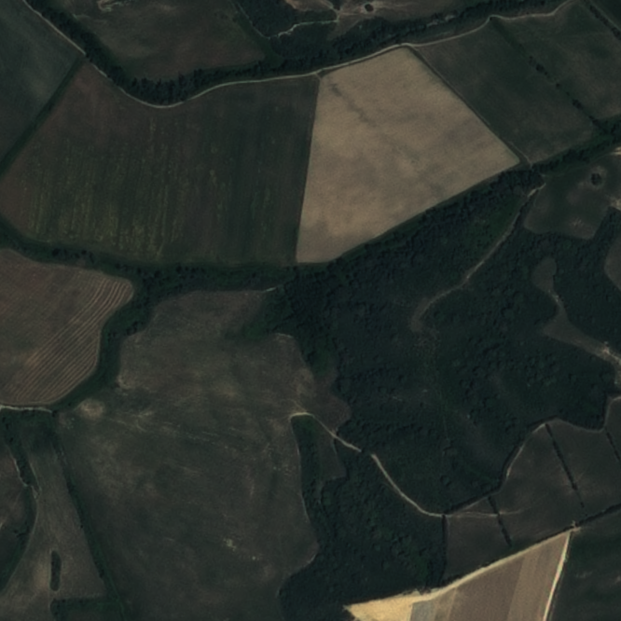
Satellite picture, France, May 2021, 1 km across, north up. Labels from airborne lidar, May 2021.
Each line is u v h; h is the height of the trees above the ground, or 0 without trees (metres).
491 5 16
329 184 0
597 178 13
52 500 0
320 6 0
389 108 0
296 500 0
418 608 0
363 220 0
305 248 0
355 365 7
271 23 5
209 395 0
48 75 0
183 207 0
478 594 0
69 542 0
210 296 0
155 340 0
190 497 0
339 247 0
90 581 0
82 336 0
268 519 0
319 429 0
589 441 0
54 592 0
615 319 6
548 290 0
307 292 20
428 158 0
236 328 0
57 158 0
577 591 0
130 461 0
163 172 0
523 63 0
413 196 0
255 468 0
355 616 0
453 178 0
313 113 0
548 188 0
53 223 0
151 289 15
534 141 0
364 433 9
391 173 0
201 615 0
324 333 12
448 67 0
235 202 0
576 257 7
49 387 0
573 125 0
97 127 0
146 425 0
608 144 7
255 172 0
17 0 0
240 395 0
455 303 6
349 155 0
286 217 0
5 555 0
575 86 0
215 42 0
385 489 9
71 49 0
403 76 0
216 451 0
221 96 0
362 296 8
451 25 7
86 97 0
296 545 0
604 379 11
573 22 0
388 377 7
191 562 0
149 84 23
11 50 0
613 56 0
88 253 18
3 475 0
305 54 6
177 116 0
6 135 0
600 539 0
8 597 0
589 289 8
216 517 0
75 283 0
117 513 0
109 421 0
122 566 0
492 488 6
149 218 0
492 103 0
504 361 5
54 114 0
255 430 0
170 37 0
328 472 0
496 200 8
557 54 0
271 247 0
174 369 0
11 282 0
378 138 0
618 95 0
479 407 7
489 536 0
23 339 0
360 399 9
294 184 0
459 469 10
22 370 0
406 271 9
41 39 0
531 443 0
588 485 0
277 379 0
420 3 0
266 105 0
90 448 0
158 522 0
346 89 0
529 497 0
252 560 0
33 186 0
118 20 0
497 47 0
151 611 0
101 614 0
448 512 9
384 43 10
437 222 16
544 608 0
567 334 0
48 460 0
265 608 0
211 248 0
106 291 0
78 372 0
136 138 0
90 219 0
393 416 8
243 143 0
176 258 0
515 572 0
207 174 0
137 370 0
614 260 0
